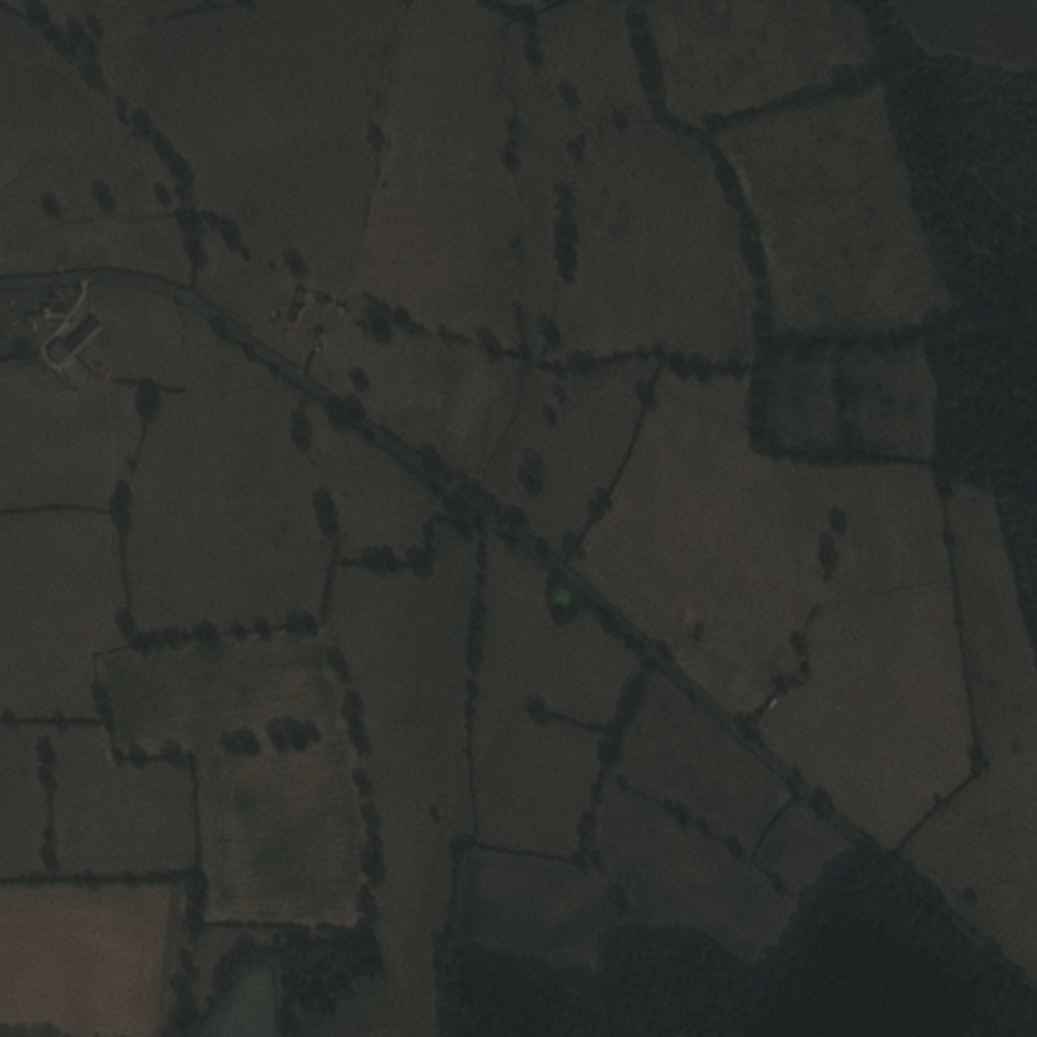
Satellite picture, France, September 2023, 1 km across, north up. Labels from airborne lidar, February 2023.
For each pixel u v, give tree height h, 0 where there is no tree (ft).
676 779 0
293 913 0
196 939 48
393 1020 0
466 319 0
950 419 75
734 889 0
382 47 0
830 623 0
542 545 34
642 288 0
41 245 0
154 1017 0
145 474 0
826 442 0
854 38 0
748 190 0
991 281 29
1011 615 0
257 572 0
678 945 55
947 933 74
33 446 0
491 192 0
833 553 52
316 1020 0
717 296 0
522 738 0
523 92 0
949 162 28
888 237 0
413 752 0
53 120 0
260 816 0
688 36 0
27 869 0
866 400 0
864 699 0
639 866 0
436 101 0
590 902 0
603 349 0
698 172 0
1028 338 66
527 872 0
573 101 51
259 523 0
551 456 0
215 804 0
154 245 0
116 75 0
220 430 0
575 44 0
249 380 0
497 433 0
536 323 0
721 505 0
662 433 0
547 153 0
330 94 0
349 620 0
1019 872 0
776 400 0
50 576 0
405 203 0
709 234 0
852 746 0
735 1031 73
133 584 0
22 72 0
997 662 0
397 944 0
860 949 72
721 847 0
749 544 0
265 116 0
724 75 0
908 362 0
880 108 0
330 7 0
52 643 0
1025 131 19
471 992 70
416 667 0
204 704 0
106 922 0
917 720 0
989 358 67
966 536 0
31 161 0
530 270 0
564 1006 68
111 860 0
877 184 0
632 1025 78
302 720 0
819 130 0
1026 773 0
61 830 0
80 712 0
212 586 0
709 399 0
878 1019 84
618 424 0
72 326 0
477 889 0
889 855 30
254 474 0
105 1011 0
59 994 0
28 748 0
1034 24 0
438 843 0
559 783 0
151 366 0
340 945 58
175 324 0
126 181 0
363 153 0
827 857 0
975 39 0
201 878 53
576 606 33
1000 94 24
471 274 0
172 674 0
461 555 0
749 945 0
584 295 0
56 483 0
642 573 0
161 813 0
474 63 0
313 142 0
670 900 0
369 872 58
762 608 0
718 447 0
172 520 0
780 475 0
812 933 67
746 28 0
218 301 0
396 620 0
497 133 0
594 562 0
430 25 0
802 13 0
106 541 0
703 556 0
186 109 0
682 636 0
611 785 0
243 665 0
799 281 0
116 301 0
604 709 0
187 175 61
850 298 0
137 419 29
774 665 0
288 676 0
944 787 0
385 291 0
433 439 0
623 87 0
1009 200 28
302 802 0
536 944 0
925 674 0
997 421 60
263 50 0
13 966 0
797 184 0
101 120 0
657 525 0
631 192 0
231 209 0
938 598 0
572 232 33
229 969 51
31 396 0
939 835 0
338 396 0
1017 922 0
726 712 0
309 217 0
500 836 0
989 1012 84
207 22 0
